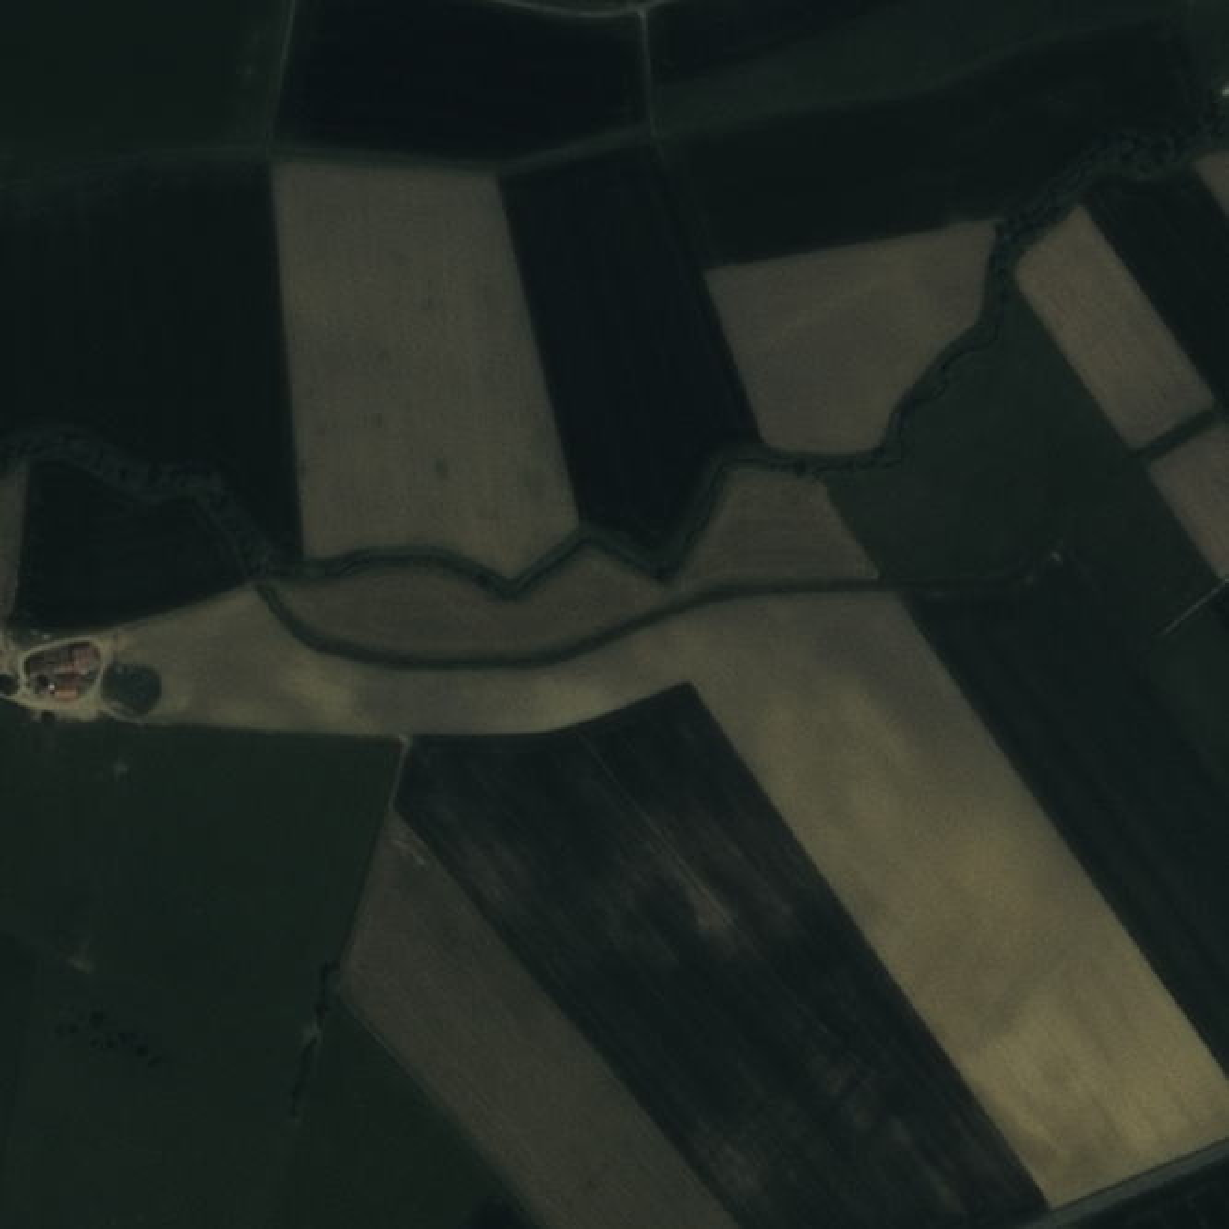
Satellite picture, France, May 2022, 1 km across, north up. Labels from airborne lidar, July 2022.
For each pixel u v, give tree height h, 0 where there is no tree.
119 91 0
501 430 0
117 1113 0
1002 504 0
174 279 0
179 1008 0
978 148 0
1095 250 0
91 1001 0
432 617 0
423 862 0
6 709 0
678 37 0
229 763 0
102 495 0
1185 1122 0
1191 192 0
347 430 0
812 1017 0
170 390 0
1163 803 0
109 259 0
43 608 0
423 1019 0
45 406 0
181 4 0
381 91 0
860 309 0
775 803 0
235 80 0
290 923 0
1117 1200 0
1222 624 0
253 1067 0
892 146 0
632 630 0
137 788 0
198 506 0
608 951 0
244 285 0
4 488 0
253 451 0
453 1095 0
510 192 0
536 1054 0
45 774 0
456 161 0
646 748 0
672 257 0
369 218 0
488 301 0
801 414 0
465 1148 0
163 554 0
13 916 0
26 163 0
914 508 0
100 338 0
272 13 0
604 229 0
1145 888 0
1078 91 0
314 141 0
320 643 0
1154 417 0
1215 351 0
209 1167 0
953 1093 0
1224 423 0
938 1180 0
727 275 0
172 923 0
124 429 0
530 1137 0
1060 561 0
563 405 0
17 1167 0
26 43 0
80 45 0
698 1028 0
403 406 0
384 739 0
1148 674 0
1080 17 0
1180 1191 0
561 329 0
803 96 0
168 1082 0
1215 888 0
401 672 0
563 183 0
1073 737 0
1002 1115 0
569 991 0
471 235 0
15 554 0
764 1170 0
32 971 0
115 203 0
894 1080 0
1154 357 0
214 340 0
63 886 0
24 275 0
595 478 0
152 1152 0
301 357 0
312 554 0
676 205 0
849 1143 0
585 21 0
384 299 0
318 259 0
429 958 0
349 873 0
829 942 0
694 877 0
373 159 0
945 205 0
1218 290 0
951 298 0
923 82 0
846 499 0
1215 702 0
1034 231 15
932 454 0
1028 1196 0
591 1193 0
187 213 0
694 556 0
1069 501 0
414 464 0
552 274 0
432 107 0
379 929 0
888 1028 0
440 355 0
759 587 0
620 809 0
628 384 0
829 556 0
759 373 0
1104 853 0
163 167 0
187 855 0
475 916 0
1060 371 0
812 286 0
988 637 0
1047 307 0
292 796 0
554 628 0
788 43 0
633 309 0
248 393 0
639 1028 0
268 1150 0
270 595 0
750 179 0
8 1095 0
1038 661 0
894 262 0
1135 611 0
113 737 0
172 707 0
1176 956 0
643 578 0
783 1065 0
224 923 0
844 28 0
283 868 0
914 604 0
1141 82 0
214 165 0
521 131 0
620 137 0
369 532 0
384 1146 0
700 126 0
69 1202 0
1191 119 0
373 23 0
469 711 0
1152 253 0
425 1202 0
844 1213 0
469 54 0
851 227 0
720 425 0
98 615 0
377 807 0
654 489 0
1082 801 0
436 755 0
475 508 0
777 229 0
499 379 0
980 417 0
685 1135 0
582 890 0
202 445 0
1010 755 0
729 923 0
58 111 0
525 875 0
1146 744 0
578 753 0
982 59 0
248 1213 0
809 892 0
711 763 0
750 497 0
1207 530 0
